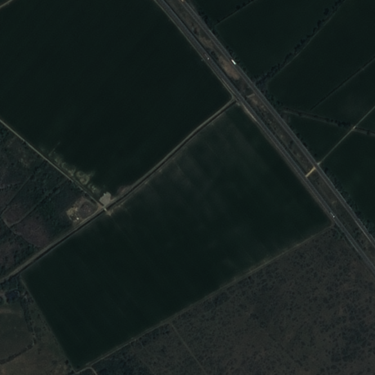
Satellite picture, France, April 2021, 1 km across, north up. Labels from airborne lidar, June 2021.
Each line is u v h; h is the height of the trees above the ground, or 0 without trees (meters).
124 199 0
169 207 0
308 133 0
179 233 0
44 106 0
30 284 0
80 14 0
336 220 0
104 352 0
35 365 0
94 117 0
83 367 0
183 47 0
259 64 0
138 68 0
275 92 0
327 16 14
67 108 0
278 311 0
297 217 0
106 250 0
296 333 0
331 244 0
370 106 0
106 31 0
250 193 0
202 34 0
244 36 0
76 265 0
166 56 0
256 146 0
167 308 0
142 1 0
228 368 0
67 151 0
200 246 0
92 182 0
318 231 0
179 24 0
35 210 7
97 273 0
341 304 0
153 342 0
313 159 0
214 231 0
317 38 0
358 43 0
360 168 0
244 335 0
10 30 0
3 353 0
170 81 0
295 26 0
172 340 0
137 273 0
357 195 0
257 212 0
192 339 0
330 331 0
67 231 0
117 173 0
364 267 0
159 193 0
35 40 0
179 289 0
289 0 0
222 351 0
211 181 0
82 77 0
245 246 0
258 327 0
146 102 0
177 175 0
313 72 0
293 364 0
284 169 0
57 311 0
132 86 0
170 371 0
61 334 0
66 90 0
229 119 0
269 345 0
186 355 0
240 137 0
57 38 0
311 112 0
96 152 0
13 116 0
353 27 0
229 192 0
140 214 0
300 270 0
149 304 0
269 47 0
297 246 0
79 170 0
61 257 0
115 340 0
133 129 0
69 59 0
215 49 0
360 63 0
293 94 0
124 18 0
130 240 0
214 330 0
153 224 0
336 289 0
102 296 0
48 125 0
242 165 0
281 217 0
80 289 0
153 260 0
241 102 0
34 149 0
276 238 0
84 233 0
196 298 0
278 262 0
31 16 0
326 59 0
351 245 11
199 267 0
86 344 0
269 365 0
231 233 0
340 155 0
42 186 15
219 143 0
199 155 0
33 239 0
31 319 5
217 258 0
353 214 0
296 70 0
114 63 0
